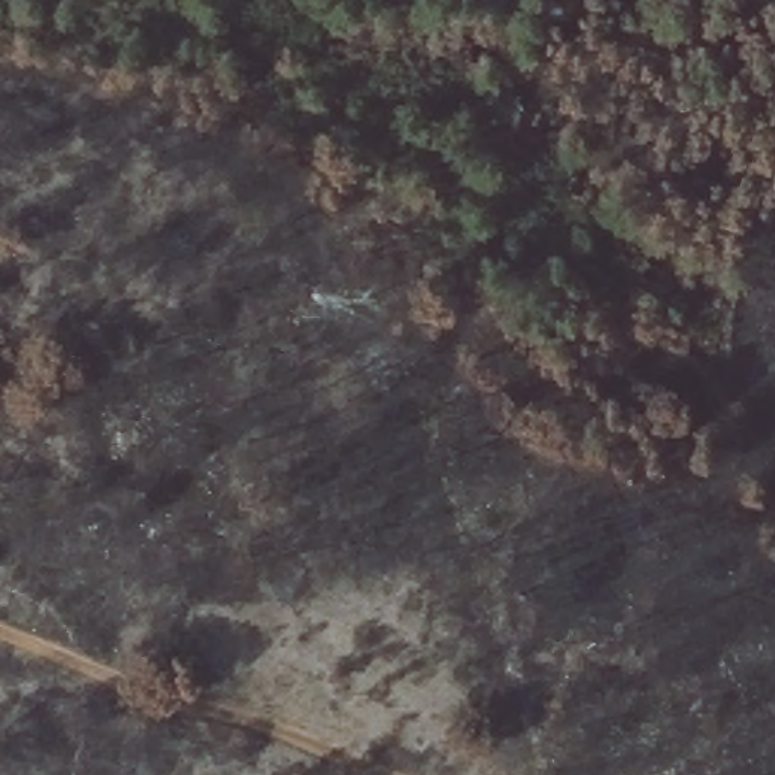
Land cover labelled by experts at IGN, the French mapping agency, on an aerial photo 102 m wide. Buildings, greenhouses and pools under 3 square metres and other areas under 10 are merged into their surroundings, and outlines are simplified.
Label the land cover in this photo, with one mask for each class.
<instances>
[{"label":"bare soil","instance_id":"1","mask_svg":"<svg viewBox=\"0 0 775 775\"><path fill-rule=\"evenodd\" d=\"M79 82L67 76H45L30 67L0 64V775H775V539L769 527H760L757 533L751 530L748 521L754 509H745L742 493L711 472L693 475L687 469L675 478L660 481L654 490L639 493L615 481L608 472L557 469L545 457L527 451L518 439L487 427L478 415V388L463 372H457V357L430 336L424 342H415L406 333L388 330L384 318L388 309L381 294L409 282L418 272L424 254L442 251V242L436 236V218L415 215L403 224H378L369 218L366 206H357L351 212H324V206H312L309 200L297 203L294 197H285L279 191H266L263 179L251 173L236 154H230L224 142L209 130L191 133L188 127H176V112L167 109L160 94H154L151 88L133 85L127 94L112 97L88 94L82 103L70 106L67 100ZM33 336H45L39 363L54 372V381L51 388H39L36 397V403L42 406V421H36L33 427H18L6 415L3 400L6 384H12L18 375L15 366L21 357V345ZM136 648L142 657L154 663L163 684L176 678L173 663H182L188 669L194 702H185L182 711H176L173 717H151L139 705H121L109 678H124V657Z\"/></svg>","mask_w":775,"mask_h":775},{"label":"coniferous trees","instance_id":"2","mask_svg":"<svg viewBox=\"0 0 775 775\"><path fill-rule=\"evenodd\" d=\"M212 9L218 48L230 54L233 82L239 88V100H233L227 115H221L209 130L224 142L230 154H236L251 173L263 179L266 191H279L285 197H294L297 203L309 200L312 206H324V212H351L357 206H366L369 218L378 224H403L415 215L436 218V236L442 242V251L424 254L418 272L409 282L381 294L388 309L384 318L388 330L406 333L415 342H424L430 336L457 357V372H463L478 388V415L487 427L518 439L527 451L545 457L557 469L608 472L615 481L639 493L654 490L660 481L675 478L687 469L693 475L711 472L742 493L745 509H754L748 521L751 530L757 533L760 527H769L775 539V0H203ZM45 336H33L21 345V357L15 366L18 375L12 384H6L3 400L6 415L18 427H33L36 421H42V406L36 403V397L39 388H51L54 381V372L39 363ZM176 678L163 684L154 663L142 657L136 648L124 657V678H109L121 705H139L151 717H173L176 711H182L185 702H194L188 669L182 663H173Z\"/></svg>","mask_w":775,"mask_h":775},{"label":"brushwood","instance_id":"3","mask_svg":"<svg viewBox=\"0 0 775 775\"><path fill-rule=\"evenodd\" d=\"M0 64L30 67L45 76H67L79 82L67 100L70 106L82 103L88 94L112 97L127 94L133 85L151 88L154 94H160L167 109L176 112V127H188L191 133L209 130L221 115H227L233 100H239V88L233 82L230 54L218 48L212 9L203 0H0Z\"/></svg>","mask_w":775,"mask_h":775}]
</instances>
